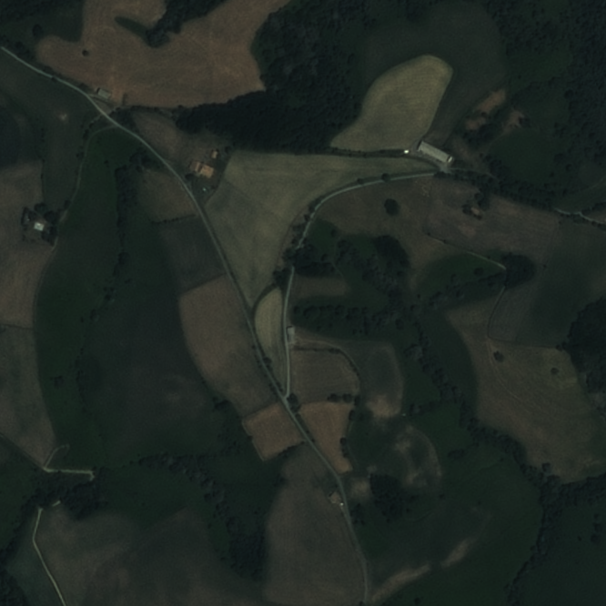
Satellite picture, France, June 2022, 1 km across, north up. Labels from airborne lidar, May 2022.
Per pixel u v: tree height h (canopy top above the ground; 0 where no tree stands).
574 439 0
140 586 0
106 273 0
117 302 0
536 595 0
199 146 0
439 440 0
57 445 0
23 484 0
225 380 0
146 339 0
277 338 0
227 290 0
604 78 6
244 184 0
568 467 0
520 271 19
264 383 0
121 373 0
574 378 0
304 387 0
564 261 0
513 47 7
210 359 0
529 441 0
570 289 0
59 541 0
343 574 0
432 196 0
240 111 23
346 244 10
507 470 0
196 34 0
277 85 12
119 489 0
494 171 12
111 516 0
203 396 0
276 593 0
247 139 14
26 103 0
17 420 0
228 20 0
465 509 0
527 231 0
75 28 0
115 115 8
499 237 0
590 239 0
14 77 0
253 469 0
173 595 0
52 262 0
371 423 0
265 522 0
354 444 0
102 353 0
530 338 0
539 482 16
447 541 0
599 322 15
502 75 0
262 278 0
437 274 0
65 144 0
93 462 0
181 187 0
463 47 0
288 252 7
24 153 0
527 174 0
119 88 0
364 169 0
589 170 0
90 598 0
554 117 0
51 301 0
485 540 0
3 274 0
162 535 0
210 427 0
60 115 0
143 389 0
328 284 0
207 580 0
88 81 0
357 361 0
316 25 10
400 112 0
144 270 0
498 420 0
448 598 0
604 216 0
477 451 0
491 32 0
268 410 0
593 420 0
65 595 0
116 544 0
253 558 14
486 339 0
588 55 16
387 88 0
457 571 0
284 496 0
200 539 0
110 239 0
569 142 0
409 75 0
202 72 0
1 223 0
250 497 0
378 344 0
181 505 0
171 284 0
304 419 0
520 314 0
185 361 0
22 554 0
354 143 0
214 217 0
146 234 0
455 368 0
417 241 0
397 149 0
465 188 0
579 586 0
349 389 0
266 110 24
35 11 16
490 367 0
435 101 0
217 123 18
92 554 0
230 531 11
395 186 0
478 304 0
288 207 0
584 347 12
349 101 9
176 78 0
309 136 12
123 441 0
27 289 0
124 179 19
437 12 0
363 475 0
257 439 0
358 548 0
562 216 8
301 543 0
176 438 0
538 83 9
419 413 6
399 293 19
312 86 10
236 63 0
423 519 0
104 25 0
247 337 0
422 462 0
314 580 0
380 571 0
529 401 0
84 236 0
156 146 0
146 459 6
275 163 0
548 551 8
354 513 11
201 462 11
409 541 0
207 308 0
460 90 0
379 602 0
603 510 0
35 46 0
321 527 0
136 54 0
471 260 0
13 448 0
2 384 0
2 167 0
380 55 0
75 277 0
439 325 0
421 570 0
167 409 0
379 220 0
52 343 0
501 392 0
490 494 0
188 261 0
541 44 9
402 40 0
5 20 10
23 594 17
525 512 0
